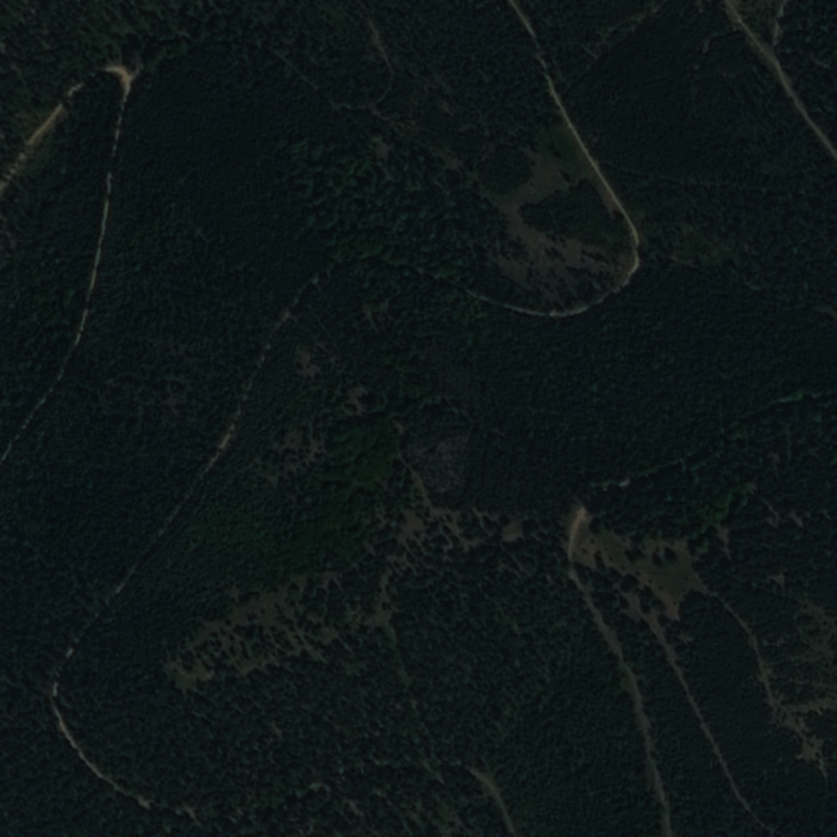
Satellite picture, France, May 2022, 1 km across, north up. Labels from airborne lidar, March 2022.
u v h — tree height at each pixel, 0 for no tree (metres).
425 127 8
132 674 7
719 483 25
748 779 11
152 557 9
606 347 13
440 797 36
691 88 6
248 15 20
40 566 13
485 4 26
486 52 22
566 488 17
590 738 9
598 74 10
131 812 28
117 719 30
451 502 16
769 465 29
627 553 0
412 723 29
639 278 13
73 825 28
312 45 13
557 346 14
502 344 10
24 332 11
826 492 12
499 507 12
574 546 0
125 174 12
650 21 8
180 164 13
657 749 8
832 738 7
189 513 6
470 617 15
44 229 14
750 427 23
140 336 12
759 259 28
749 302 13
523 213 9
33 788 25
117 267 8
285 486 9
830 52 9
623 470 21
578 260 0
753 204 28
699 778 7
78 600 27
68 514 16
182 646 6
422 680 28
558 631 9
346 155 23
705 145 9
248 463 8
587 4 24
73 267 11
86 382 16
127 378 12
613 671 11
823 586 15
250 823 27
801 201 28
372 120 9
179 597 10
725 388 18
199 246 15
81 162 16
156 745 30
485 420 21
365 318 11
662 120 6
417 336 15
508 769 7
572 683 9
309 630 9
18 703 29
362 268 22
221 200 14
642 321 13
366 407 11
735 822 21
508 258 20
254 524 7
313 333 19
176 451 11
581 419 13
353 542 7
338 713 28
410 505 9
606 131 10
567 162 0
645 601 16
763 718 8
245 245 14
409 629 24
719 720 8
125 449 17
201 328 13
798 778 8
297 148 20
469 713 31
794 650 6
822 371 15
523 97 26
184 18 23
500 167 7
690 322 20
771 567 16
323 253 15
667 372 11
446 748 26
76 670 6
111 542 12
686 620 22
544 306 18
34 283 13
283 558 7
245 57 13
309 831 33
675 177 8
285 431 11
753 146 23
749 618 11
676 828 6
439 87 25
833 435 25
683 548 0
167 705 29
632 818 12
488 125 10
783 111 30
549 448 19
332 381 7
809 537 13
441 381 18
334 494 14
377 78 10
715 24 7
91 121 16
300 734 33
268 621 0
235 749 28
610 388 9
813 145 31
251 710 31
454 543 20
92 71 14
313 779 28
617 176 10
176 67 13
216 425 11
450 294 24
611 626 13
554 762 8
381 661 32
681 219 12
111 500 10
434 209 32
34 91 33
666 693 8
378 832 28
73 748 23
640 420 17
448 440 22
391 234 30
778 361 13
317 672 32
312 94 16
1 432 6
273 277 12
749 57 10
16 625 32
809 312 14
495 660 29
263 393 7
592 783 11
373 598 7
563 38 29
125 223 6
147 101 10
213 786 28
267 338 6
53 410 8
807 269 26
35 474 8
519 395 13
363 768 29
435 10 29
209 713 29
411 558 11
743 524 18
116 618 14
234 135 13
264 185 14
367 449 18
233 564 6
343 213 26
